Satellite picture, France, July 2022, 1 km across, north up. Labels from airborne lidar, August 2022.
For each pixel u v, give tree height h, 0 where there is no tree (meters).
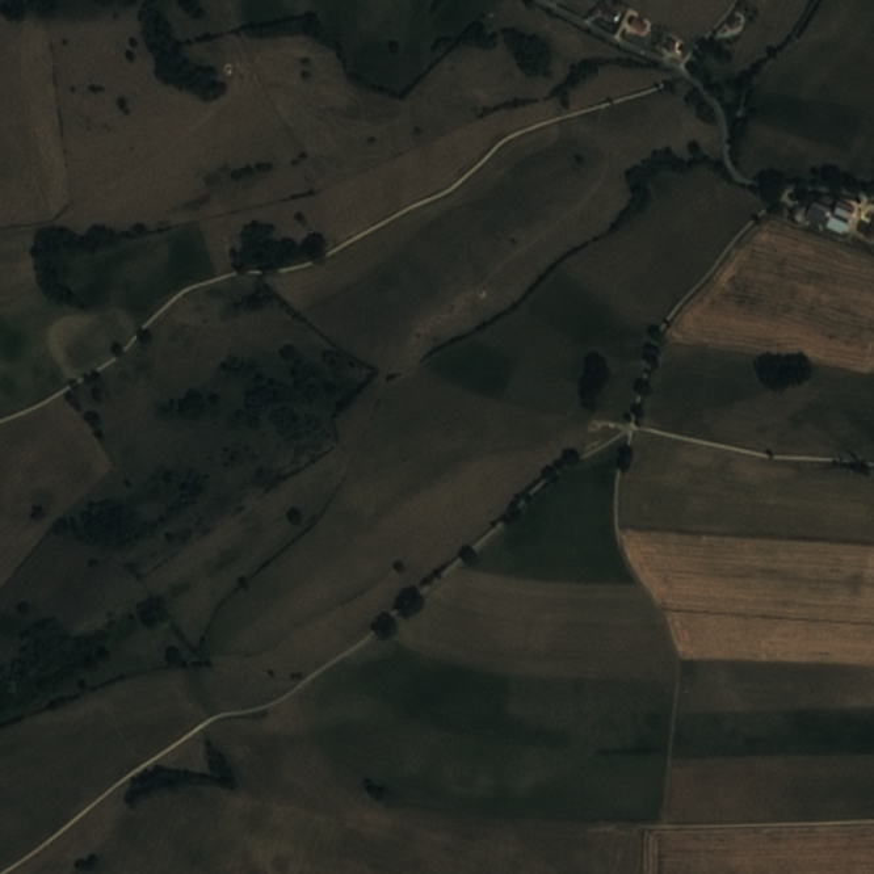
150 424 0
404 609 22
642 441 0
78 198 0
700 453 0
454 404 0
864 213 0
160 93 0
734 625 0
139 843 0
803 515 0
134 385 0
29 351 0
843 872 0
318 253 23
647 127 0
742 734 0
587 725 0
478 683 0
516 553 0
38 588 0
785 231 0
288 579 0
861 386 0
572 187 0
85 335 0
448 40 6
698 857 0
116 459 0
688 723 0
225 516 0
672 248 0
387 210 0
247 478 0
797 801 0
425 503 0
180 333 0
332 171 0
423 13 0
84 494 0
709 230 0
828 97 0
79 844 0
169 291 0
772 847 0
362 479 0
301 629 0
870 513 0
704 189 0
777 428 0
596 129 0
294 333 0
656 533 0
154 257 0
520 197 0
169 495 0
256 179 0
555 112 0
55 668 10
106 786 0
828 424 0
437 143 0
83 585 0
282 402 5
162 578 0
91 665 20
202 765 0
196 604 0
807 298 0
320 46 0
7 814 0
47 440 0
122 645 0
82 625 0
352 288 0
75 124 0
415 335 0
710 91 14
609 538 0
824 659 0
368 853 0
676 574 0
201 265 0
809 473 0
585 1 0
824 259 0
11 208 0
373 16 0
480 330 7
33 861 0
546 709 0
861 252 0
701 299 0
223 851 0
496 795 0
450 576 0
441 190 0
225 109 0
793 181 7
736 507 0
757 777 0
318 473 0
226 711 0
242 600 0
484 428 0
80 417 0
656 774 0
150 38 9
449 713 0
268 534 0
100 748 0
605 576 0
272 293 7
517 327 0
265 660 0
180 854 0
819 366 0
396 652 0
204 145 0
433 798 0
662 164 14
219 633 0
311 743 0
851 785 0
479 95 0
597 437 0
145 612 13
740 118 8
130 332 0
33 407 0
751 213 0
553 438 0
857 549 0
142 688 0
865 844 0
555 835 0
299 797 0
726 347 0
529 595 0
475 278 0
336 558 0
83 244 11
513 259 0
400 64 0
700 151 17
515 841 0
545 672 0
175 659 14
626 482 0
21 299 0
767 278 0
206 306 0
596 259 0
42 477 0
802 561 0
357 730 0
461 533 0
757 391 0
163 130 0
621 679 0
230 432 0
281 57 0
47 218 0
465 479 0
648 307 0
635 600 0
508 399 0
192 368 0
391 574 0
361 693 0
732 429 0
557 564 0
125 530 11
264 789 0
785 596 0
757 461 0
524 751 0
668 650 0
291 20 8
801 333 0
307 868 0
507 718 0
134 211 0
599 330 0
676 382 0
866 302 0
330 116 0
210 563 0
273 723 0
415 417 0
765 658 0
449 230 0
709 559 0
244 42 0
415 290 0
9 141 0
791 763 0
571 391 0
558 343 0
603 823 0
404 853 0
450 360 0
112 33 0
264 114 0
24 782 0
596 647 0
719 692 0
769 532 0
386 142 0
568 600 0
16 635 0
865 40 0
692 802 0
